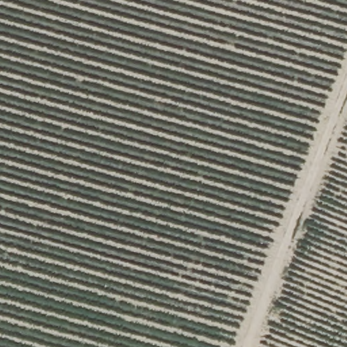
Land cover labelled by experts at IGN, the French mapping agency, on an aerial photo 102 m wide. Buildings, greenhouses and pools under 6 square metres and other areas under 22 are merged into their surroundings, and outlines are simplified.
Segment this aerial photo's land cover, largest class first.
<instances>
[{"label":"vineyard","instance_id":"1","mask_svg":"<svg viewBox=\"0 0 347 347\"><path fill-rule=\"evenodd\" d=\"M347 50V0H0V347H232L251 301L253 282L258 281L262 272L260 270L266 262L264 249L272 243L271 233L279 226V222L267 218H282L290 191L293 190L302 164L305 163L301 157L308 155L309 145L313 141V131H316L319 115L323 111L329 92L332 91V84L335 83ZM339 155L332 157L331 171L324 176L325 186L319 197H314L312 216L304 222L306 233L298 240L289 266L283 268L282 278L285 281L281 297L272 301L267 310L266 320L270 325V331L260 340V347H347V126H344L343 133L338 138Z\"/></svg>","mask_w":347,"mask_h":347},{"label":"pervious surface","instance_id":"2","mask_svg":"<svg viewBox=\"0 0 347 347\"><path fill-rule=\"evenodd\" d=\"M335 83L332 84V91L329 92L323 111L319 115L316 131H313V141L309 145L308 155L301 157L305 163L302 164L293 190L290 191L282 218H267L279 222V226L271 233L272 243L264 249L266 262L260 270L262 272L258 281L253 282L251 301L232 347H260V340L270 331V325L266 320L267 310L272 301L281 297L285 281L282 278L283 268L289 266L298 240L306 233L304 222L312 216L314 197H319L325 186L324 176L331 171L332 157L339 155L338 138L343 133L344 126H347V50Z\"/></svg>","mask_w":347,"mask_h":347}]
</instances>
